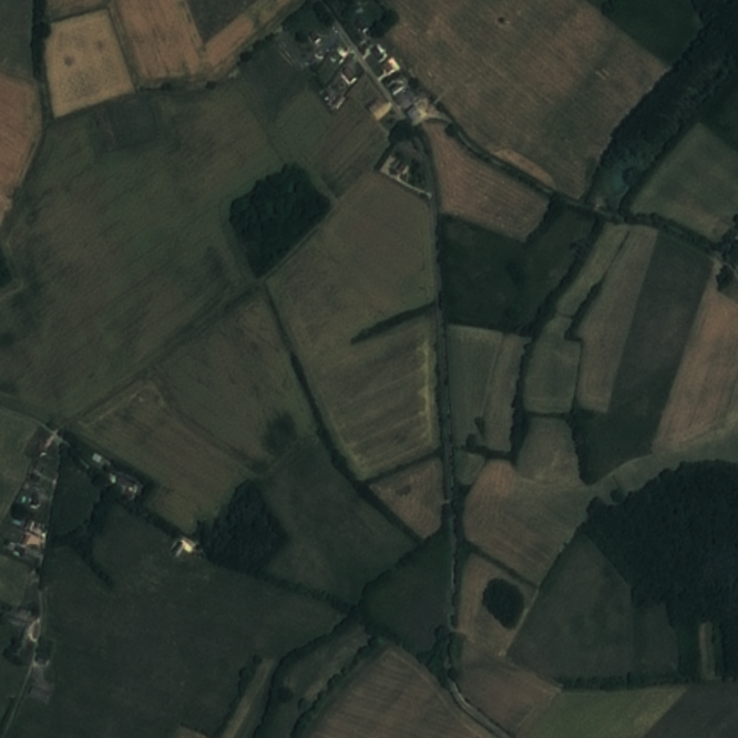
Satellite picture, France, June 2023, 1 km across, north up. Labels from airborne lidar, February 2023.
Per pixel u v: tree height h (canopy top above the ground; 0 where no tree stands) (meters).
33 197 0
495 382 0
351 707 0
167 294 0
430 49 0
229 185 0
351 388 0
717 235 0
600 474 0
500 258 0
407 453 0
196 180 0
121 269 0
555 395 0
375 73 0
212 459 0
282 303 0
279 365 0
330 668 0
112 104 0
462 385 0
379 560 0
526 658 0
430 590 0
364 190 0
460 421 0
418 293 0
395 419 0
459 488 6
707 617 15
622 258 0
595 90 0
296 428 0
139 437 0
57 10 0
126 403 0
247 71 0
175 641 0
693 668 8
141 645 0
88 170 0
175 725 0
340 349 0
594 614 0
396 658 0
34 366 0
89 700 0
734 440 0
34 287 0
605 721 0
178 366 0
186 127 0
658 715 0
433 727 0
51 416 0
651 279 0
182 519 0
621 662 0
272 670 0
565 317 0
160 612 0
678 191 0
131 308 0
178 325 0
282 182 14
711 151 0
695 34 0
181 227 0
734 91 0
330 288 0
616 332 0
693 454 0
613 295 0
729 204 0
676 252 0
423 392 0
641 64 0
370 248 0
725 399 0
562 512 0
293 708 0
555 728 0
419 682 0
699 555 20
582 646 0
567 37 0
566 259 0
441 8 0
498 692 0
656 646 0
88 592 0
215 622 0
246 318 0
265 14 0
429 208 0
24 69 0
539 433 0
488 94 0
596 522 10
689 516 18
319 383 0
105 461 0
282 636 0
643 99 0
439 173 0
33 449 0
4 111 0
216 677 0
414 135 18
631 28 0
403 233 0
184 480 0
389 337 0
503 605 15
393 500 0
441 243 8
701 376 0
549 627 0
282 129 0
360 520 0
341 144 0
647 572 11
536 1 0
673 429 0
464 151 0
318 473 0
